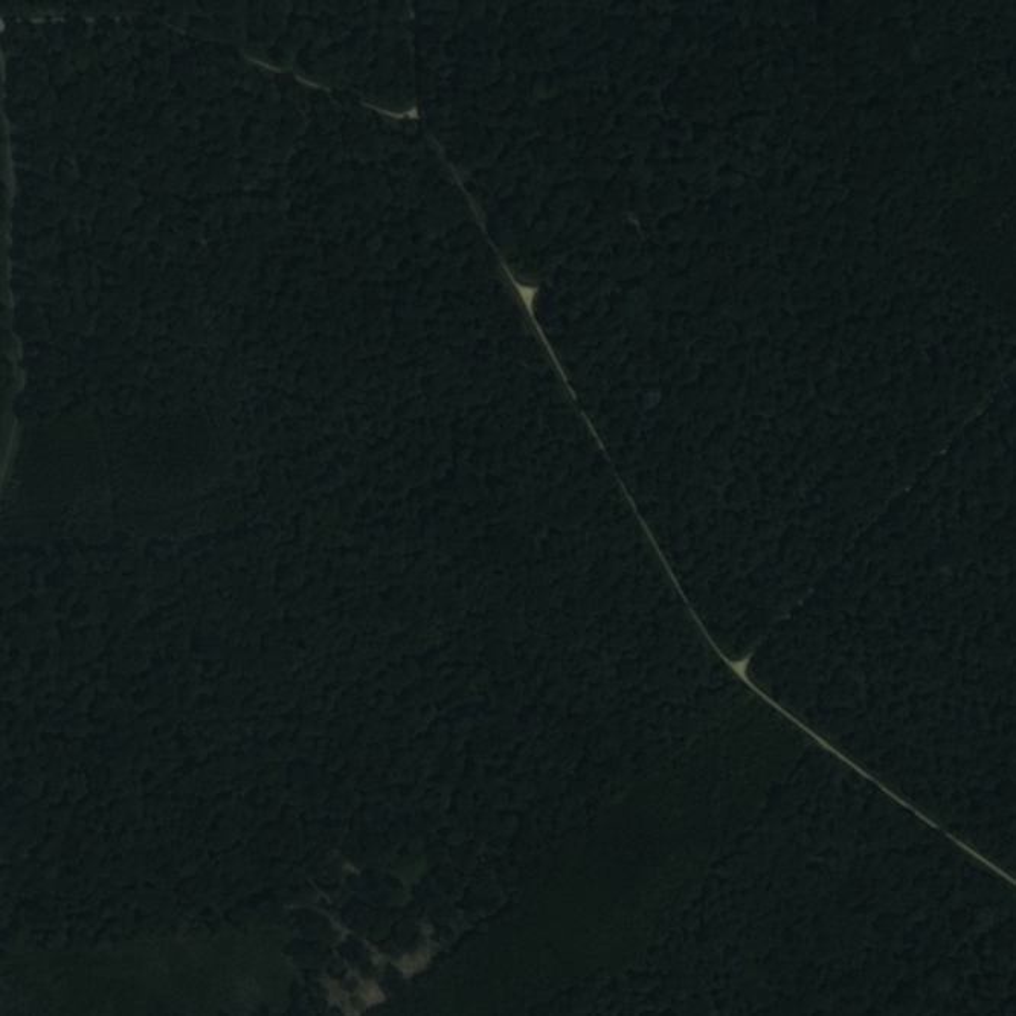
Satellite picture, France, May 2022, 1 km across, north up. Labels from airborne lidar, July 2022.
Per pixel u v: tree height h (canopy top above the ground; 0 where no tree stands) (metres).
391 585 27
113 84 26
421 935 28
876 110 30
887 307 19
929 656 20
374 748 30
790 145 26
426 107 27
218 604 26
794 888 28
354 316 29
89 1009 6
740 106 26
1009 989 15
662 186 29
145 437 8
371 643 20
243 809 24
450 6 31
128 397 28
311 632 24
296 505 26
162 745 25
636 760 31
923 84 29
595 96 28
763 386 25
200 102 27
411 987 13
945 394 26
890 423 27
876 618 25
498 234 29
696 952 23
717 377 23
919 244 27
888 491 20
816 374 28
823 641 19
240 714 26
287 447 14
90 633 29
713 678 17
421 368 27
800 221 32
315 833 30
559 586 26
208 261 30
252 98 28
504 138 27
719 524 23
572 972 14
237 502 7
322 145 28
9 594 29
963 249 10
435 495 26
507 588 21
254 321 24
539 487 21
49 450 6
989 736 24
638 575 26
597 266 30
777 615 24
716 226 32
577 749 24
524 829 25
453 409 20
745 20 33
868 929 23
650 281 28
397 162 28
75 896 27
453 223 30
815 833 23
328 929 29
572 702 28
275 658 25
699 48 35
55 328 26
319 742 24
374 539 28
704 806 12
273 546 17
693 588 21
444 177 22
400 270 30
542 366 28
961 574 17
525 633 21
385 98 25
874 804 26
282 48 34
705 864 12
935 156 20
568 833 16
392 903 28
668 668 28
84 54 27
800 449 25
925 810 23
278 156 29
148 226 33
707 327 23
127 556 29
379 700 27
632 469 27
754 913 22
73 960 6
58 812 31
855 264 19
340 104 27
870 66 20
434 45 29
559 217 29
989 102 22
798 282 25
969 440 19
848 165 18
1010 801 27
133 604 23
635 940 15
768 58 28
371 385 26
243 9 31
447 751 33
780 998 26
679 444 25
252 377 20
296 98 27
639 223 31
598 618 18
